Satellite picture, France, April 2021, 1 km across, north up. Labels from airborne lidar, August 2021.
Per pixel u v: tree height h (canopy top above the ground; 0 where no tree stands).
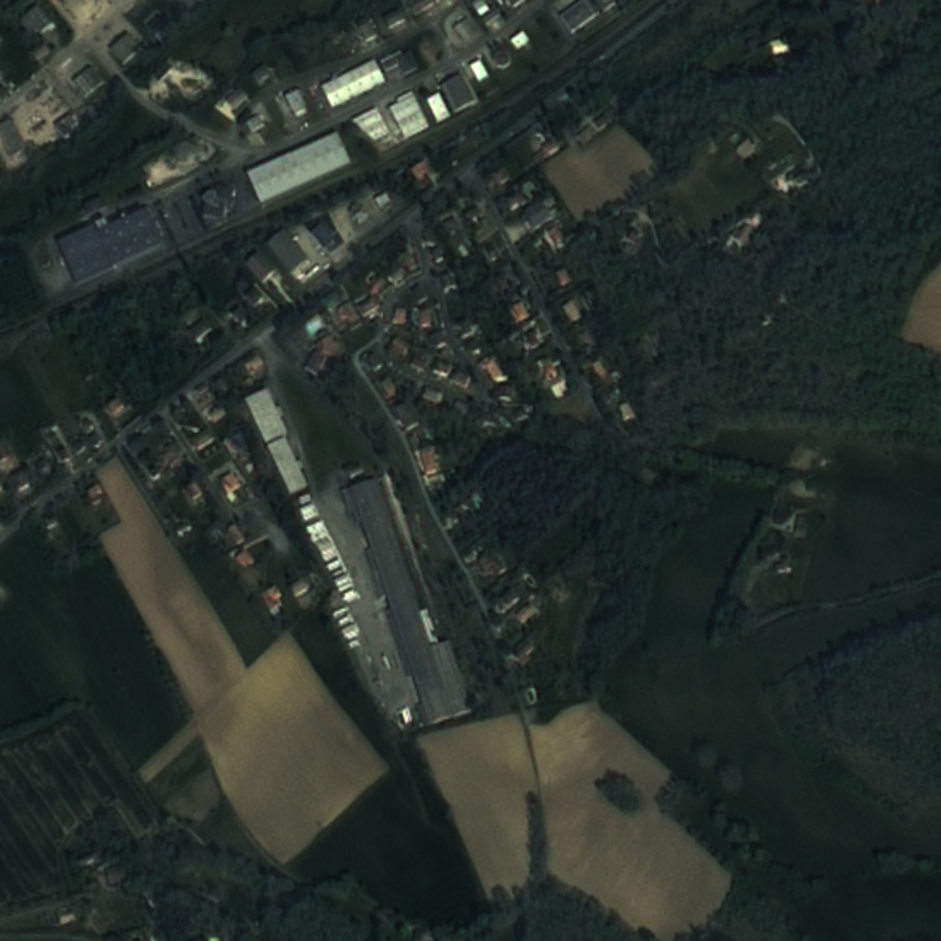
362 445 0
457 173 0
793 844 0
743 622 25
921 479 0
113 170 9
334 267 0
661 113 19
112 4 0
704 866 0
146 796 0
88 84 0
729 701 0
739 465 22
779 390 14
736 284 17
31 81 0
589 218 13
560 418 9
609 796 17
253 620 0
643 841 0
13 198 0
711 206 0
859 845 0
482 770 0
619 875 0
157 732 0
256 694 0
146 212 0
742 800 0
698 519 0
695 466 21
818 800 0
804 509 0
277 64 0
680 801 12
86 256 0
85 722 0
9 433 0
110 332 17
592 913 26
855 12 20
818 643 0
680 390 17
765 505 0
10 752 0
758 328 15
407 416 0
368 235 0
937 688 14
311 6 0
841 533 0
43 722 8
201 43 0
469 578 12
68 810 0
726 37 8
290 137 0
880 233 13
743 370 10
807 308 13
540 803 17
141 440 15
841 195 20
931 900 0
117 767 0
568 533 0
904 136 23
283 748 0
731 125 12
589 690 13
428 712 0
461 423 15
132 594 0
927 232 12
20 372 0
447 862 0
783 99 22
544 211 0
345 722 0
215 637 0
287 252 0
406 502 15
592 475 22
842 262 18
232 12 0
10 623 0
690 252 17
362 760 0
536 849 13
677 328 8
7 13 12
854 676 16
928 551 0
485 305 16
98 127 24
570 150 0
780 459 0
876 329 14
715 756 15
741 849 14
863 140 25
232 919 15
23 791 0
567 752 0
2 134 0
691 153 18
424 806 0
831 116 20
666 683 0
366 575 0
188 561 0
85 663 0
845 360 18
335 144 0
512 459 19
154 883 14
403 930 15
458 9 0
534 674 8
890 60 17
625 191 0
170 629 0
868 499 0
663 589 0
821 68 21
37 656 0
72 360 0
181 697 7
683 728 0
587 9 0
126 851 8
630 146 0
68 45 0
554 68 0
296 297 0
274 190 0
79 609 0
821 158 20
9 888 0
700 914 0
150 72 14
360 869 0
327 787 0
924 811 0
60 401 0
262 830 0
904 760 15
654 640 0
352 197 18
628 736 0
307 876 0
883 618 0
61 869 0
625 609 25
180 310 7
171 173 0
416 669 0
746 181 0
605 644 24
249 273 10
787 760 0
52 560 8
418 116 0
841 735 15
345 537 0
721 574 0
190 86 0
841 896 0
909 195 25
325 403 0
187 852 17
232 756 0
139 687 0
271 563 0
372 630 0
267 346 0
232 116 0
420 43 0
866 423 18
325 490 0
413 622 0
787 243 9
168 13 0
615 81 7
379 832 0
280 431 0
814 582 0
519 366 14
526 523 14
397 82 0
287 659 0
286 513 10
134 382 19
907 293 18
